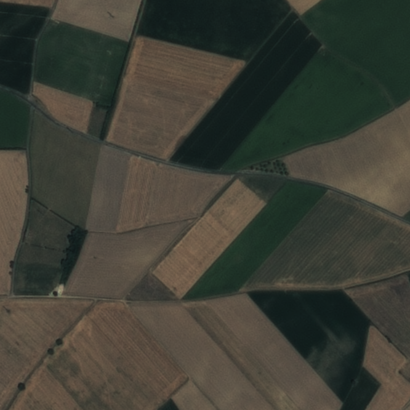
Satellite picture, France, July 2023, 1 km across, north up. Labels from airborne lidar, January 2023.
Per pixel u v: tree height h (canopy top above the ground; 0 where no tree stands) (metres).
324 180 0
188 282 0
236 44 0
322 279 0
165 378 0
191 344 0
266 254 0
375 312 0
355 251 0
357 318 0
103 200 0
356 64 0
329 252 0
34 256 0
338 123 0
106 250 0
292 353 0
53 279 0
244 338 0
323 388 0
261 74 0
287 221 0
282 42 0
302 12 0
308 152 0
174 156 0
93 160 0
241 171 0
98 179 0
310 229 0
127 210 0
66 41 0
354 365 0
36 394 0
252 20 0
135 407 0
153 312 0
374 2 0
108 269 0
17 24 0
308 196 0
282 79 0
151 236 0
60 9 0
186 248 0
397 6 0
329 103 0
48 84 0
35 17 0
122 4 0
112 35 0
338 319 0
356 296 0
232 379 0
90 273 0
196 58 0
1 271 0
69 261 13
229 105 0
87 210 0
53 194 0
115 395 0
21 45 0
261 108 0
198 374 0
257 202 0
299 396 0
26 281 0
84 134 0
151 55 0
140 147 0
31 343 0
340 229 0
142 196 0
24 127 0
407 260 0
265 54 0
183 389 0
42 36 0
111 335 0
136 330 0
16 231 0
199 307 0
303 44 0
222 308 0
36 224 0
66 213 0
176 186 0
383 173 0
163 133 0
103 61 0
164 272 0
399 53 0
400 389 0
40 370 0
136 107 0
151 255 0
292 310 0
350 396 0
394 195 0
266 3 0
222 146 0
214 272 0
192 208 0
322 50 0
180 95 0
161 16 0
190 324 0
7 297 0
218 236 0
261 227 0
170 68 0
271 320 0
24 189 0
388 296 0
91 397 0
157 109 0
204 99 0
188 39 0
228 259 0
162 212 0
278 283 0
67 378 0
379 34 0
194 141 0
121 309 0
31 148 0
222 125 0
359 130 0
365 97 0
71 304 0
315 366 0
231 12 0
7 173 0
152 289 0
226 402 0
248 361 0
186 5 0
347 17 0
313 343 0
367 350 0
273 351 0
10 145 0
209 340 0
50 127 0
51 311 0
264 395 0
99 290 0
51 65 0
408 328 0
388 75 0
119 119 0
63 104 0
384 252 0
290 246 0
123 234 0
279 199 0
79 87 0
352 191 0
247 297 0
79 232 9
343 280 0
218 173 0
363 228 0
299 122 0
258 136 0
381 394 0
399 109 0
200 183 0
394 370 0
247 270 0
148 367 0
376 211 0
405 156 0
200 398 0
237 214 0
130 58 0
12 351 0
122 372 0
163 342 0
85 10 0
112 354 0
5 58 0
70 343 0
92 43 0
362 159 0
